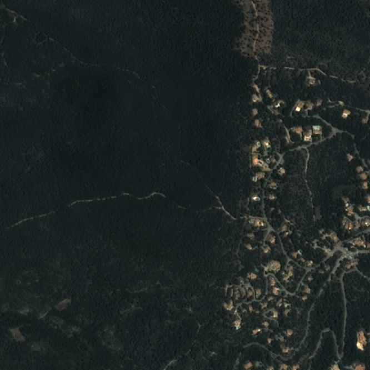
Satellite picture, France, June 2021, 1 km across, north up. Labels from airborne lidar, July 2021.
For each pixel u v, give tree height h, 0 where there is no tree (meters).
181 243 9
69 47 14
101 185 8
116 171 14
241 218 7
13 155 11
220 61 12
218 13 10
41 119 12
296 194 7
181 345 17
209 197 10
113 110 10
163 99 9
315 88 10
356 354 12
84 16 6
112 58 10
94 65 6
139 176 9
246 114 10
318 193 9
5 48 9
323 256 8
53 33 15
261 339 9
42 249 7
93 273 7
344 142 6
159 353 11
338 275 9
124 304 8
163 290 6
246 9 0
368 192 7
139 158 11
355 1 11
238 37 13
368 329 6
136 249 11
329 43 6
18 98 7
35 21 13
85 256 7
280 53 7
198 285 6
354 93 8
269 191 8
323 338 8
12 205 9
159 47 11
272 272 9
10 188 11
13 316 9
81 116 12
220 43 15
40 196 9
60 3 9
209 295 8
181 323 7
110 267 7
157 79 10
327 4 12
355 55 6
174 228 8
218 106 12
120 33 8
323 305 7
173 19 9
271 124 9
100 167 9
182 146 11
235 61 13
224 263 8
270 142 9
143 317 9
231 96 10
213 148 14
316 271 7
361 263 14
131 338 7
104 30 9
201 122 10
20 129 11
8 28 9
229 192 8
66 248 6
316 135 8
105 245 9
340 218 12
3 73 8
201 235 10
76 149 15
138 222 10
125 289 9
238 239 11
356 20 14
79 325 7
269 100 10
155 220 11
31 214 6
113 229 12
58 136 12
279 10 8
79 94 9
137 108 10
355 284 9
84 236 8
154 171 9
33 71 8
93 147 11
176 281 6
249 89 12
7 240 8
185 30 13
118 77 9
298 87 8
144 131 10
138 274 8
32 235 9
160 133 8
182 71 12
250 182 8
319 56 9
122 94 9
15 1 9
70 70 8
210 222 10
